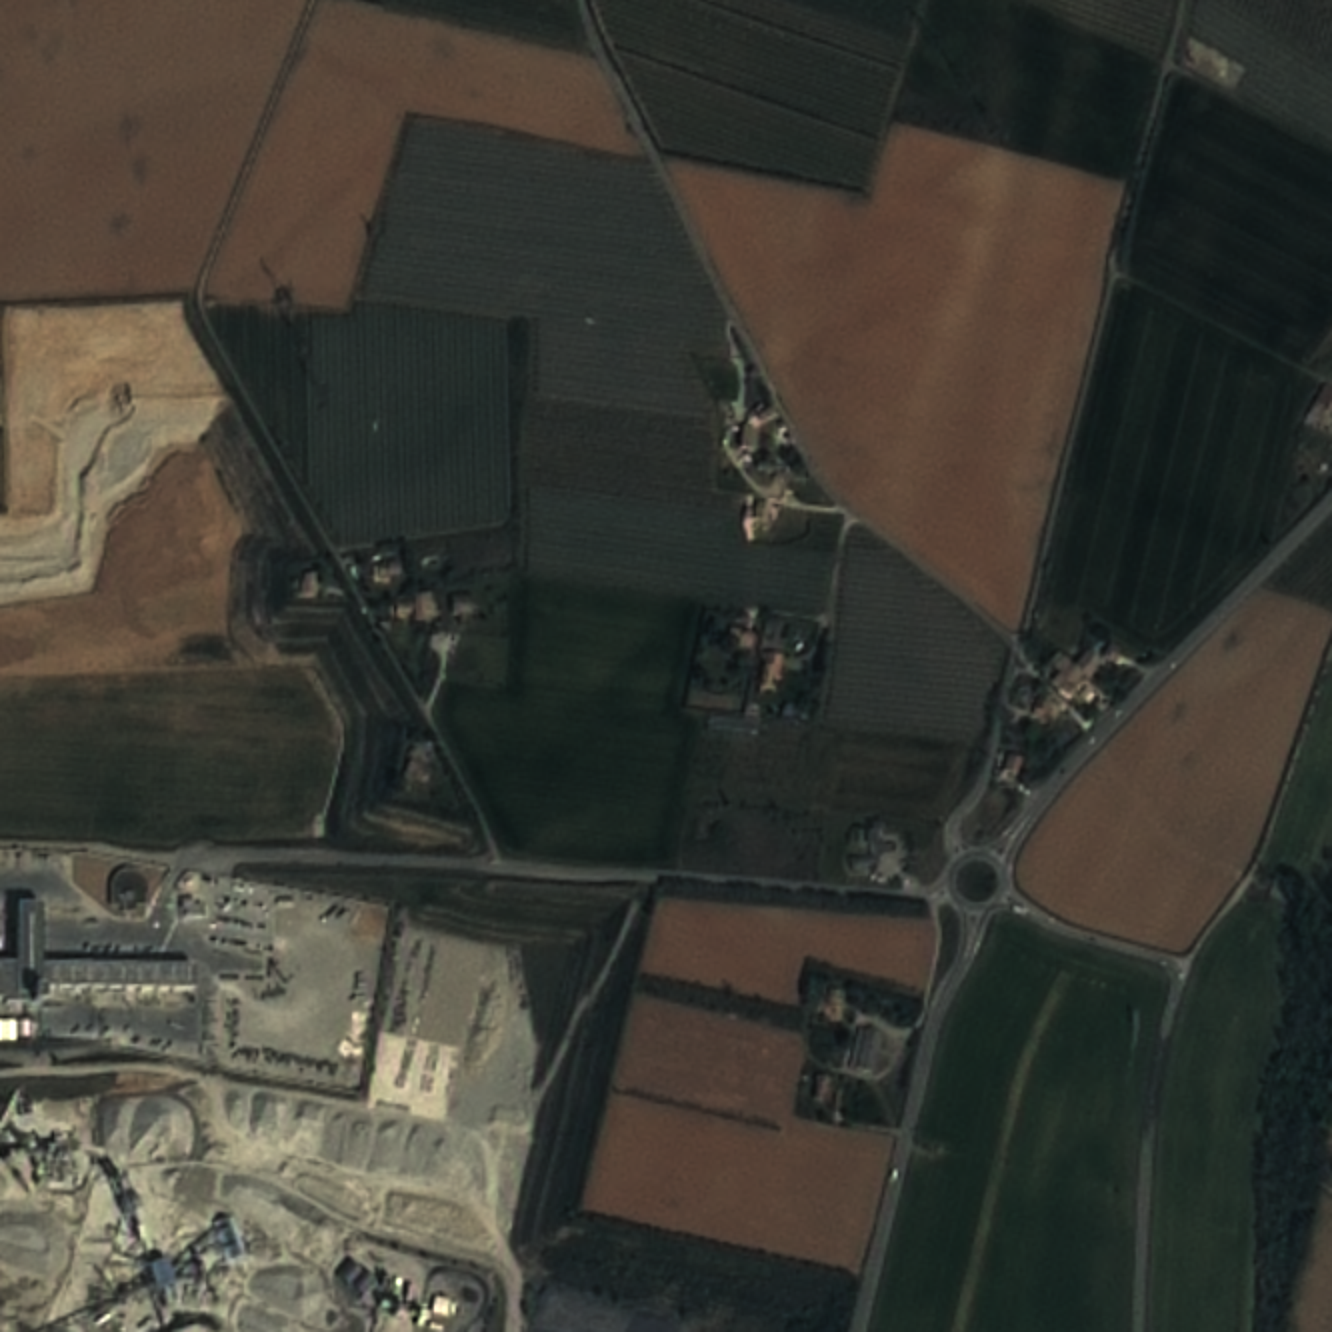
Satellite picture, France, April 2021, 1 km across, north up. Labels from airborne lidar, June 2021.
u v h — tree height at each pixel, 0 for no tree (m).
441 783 0
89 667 0
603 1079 0
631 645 0
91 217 0
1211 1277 0
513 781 0
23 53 0
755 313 0
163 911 0
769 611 8
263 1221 0
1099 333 0
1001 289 0
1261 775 0
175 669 0
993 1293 0
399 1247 9
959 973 0
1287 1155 12
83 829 0
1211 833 0
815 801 0
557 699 0
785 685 0
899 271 0
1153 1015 0
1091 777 0
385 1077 0
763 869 0
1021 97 0
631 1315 0
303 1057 0
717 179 0
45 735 0
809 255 0
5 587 0
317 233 0
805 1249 0
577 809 0
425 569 0
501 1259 0
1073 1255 0
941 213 0
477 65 0
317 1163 0
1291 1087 15
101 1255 0
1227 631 0
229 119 0
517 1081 0
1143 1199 0
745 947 0
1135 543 0
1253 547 0
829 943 0
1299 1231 13
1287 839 0
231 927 0
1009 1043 0
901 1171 0
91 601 0
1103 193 0
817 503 0
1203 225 0
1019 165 0
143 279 0
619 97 0
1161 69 0
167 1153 0
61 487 0
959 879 0
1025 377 0
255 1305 0
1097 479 0
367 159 0
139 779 0
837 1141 0
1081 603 0
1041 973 0
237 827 0
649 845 0
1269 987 0
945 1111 0
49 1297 0
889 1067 0
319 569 8
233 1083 0
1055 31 0
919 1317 0
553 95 0
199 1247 0
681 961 0
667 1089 0
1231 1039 0
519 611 0
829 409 0
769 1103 0
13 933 0
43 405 0
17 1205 0
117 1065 0
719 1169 0
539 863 0
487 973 0
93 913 0
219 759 0
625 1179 0
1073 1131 0
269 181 0
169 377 0
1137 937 0
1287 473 0
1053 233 0
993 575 0
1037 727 9
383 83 0
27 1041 0
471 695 0
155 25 0
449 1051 0
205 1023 0
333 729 0
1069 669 0
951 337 0
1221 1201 0
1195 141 0
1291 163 0
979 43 0
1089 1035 0
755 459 6
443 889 0
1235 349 0
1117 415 0
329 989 0
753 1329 0
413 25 0
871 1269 0
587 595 0
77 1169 0
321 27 0
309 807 0
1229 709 0
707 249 0
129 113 0
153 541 0
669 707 0
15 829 0
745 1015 0
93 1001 0
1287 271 0
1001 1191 0
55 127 0
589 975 0
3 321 0
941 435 0
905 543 0
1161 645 0
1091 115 0
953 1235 0
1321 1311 0
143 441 0
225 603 0
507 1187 0
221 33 0
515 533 6
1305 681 0
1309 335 0
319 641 0
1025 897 0
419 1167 0
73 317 0
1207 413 0
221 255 0
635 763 0
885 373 0
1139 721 0
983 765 7
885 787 0
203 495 0
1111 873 0
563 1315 0
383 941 0
